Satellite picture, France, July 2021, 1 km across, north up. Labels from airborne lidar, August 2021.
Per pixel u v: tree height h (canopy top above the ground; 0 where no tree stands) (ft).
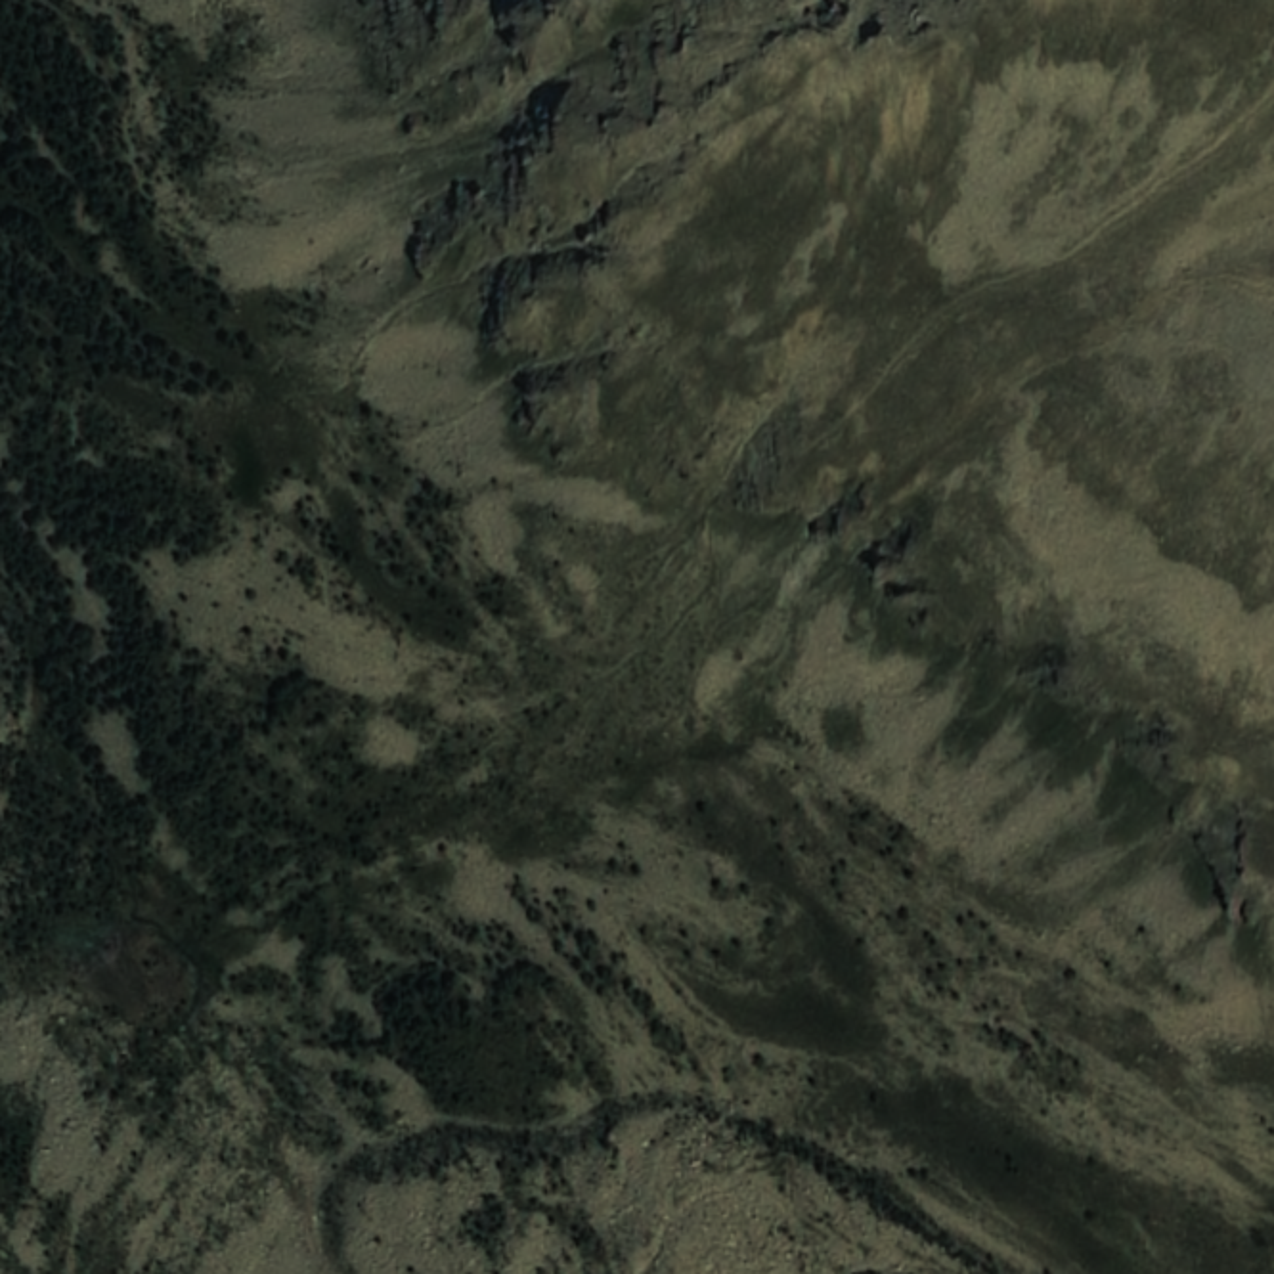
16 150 58
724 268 0
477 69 0
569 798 0
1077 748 0
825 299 0
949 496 0
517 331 0
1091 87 0
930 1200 0
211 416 0
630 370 0
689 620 0
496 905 0
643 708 0
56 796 21
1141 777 0
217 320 44
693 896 0
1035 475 0
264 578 0
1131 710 0
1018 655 0
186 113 28
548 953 0
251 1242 0
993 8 0
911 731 0
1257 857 0
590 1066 27
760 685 0
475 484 0
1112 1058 0
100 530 23
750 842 0
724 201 0
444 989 41
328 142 0
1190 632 0
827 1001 0
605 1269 0
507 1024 24
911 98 0
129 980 0
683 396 0
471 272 0
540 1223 0
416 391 0
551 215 0
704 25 0
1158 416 0
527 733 0
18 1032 0
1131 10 0
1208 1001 0
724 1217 0
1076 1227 0
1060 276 0
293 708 50
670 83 0
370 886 0
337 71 0
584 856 0
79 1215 0
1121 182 0
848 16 0
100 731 0
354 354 0
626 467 0
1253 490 0
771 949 0
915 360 0
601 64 0
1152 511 0
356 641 0
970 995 0
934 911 0
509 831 0
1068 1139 0
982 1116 0
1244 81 0
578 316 0
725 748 0
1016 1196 0
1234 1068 0
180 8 0
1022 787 0
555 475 0
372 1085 22
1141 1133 0
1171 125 0
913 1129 0
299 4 0
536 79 0
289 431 0
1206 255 0
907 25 0
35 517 53
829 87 0
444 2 0
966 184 0
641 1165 0
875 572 0
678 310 0
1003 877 0
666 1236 0
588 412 0
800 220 0
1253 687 0
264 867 23
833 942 0
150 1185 0
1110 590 0
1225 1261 0
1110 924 0
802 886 0
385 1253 0
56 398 30
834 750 0
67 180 26
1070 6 0
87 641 43
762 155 0
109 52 29
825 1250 0
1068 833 0
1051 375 0
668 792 0
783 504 0
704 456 0
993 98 0
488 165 0
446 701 0
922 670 0
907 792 0
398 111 0
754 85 0
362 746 0
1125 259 0
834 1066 0
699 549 0
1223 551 0
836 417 0
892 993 0
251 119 0
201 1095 0
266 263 0
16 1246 0
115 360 26
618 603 0
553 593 0
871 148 0
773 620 0
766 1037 0
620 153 0
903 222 0
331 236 0
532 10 0
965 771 0
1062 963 0
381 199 0
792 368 0
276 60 0
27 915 21
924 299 0
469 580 0
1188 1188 0
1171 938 0
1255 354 0
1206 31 0
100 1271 0
